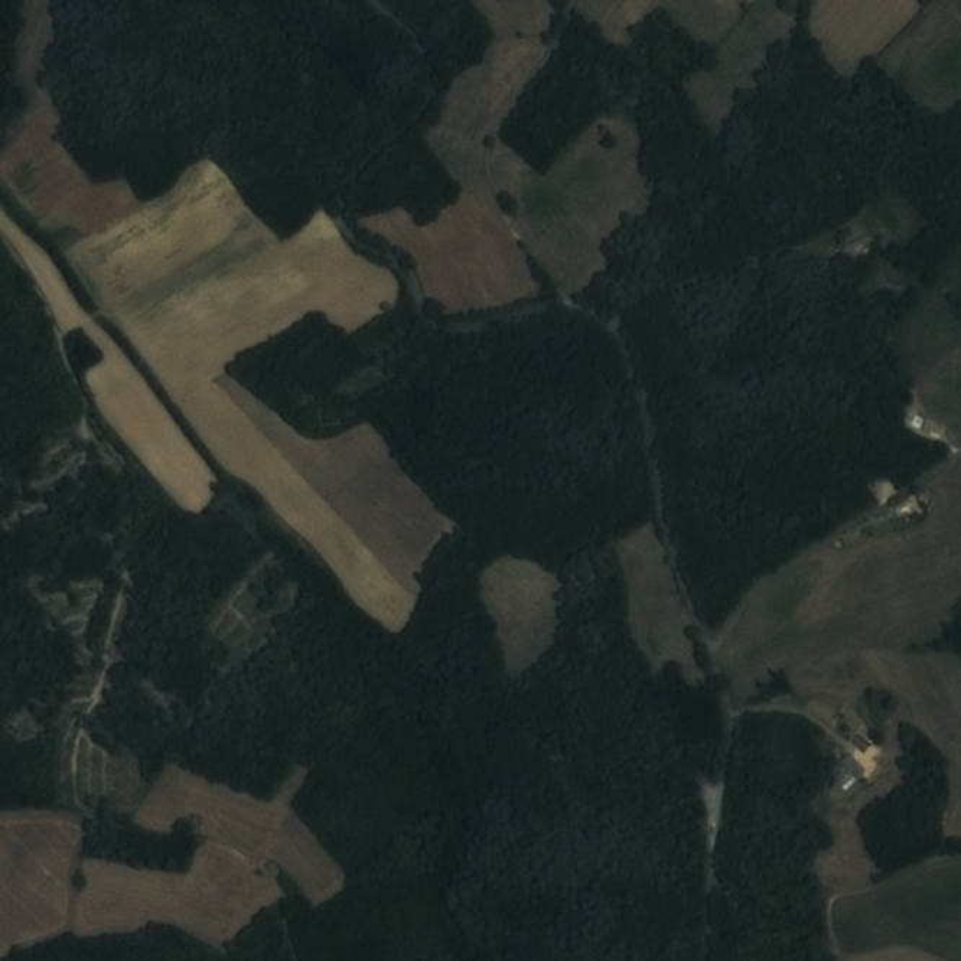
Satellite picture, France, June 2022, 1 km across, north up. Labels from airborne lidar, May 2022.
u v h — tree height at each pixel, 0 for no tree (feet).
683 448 58
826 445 47
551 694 29
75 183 0
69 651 56
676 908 51
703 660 56
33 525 51
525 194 0
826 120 52
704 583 48
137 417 0
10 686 37
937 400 0
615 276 38
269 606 68
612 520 48
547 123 40
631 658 75
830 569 0
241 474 0
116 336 22
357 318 0
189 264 0
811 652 0
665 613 0
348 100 56
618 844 25
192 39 52
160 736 42
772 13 0
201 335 0
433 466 56
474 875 76
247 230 0
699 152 43
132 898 0
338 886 0
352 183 49
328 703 91
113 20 68
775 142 52
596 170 0
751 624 0
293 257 0
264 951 37
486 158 0
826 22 0
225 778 57
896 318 68
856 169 70
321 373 50
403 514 0
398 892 24
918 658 0
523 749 52
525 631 0
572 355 52
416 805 29
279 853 0
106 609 53
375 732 22
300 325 46
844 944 0
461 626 56
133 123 65
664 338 64
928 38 0
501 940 43
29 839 0
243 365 58
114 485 33
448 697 68
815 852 46
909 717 0
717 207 48
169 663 73
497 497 61
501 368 62
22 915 0
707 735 39
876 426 67
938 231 51
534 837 52
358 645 68
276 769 55
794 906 47
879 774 0
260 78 42
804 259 59
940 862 0
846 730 35
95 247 0
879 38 0
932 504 0
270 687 49
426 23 54
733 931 47
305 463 0
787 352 39
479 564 35
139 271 0
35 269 0
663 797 55
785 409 51
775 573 45
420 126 54
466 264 0
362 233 42
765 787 39
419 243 0
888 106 41
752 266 44
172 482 0
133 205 0
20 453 58
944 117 47
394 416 53
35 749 42
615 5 0
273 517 0
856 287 79
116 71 66
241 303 0
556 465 63
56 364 46
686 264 35
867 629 0
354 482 0
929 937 0
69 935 39
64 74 47
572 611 59
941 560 0
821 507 68
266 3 74
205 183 0
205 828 0
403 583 0
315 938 19
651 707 73
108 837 71
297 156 63
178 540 85
